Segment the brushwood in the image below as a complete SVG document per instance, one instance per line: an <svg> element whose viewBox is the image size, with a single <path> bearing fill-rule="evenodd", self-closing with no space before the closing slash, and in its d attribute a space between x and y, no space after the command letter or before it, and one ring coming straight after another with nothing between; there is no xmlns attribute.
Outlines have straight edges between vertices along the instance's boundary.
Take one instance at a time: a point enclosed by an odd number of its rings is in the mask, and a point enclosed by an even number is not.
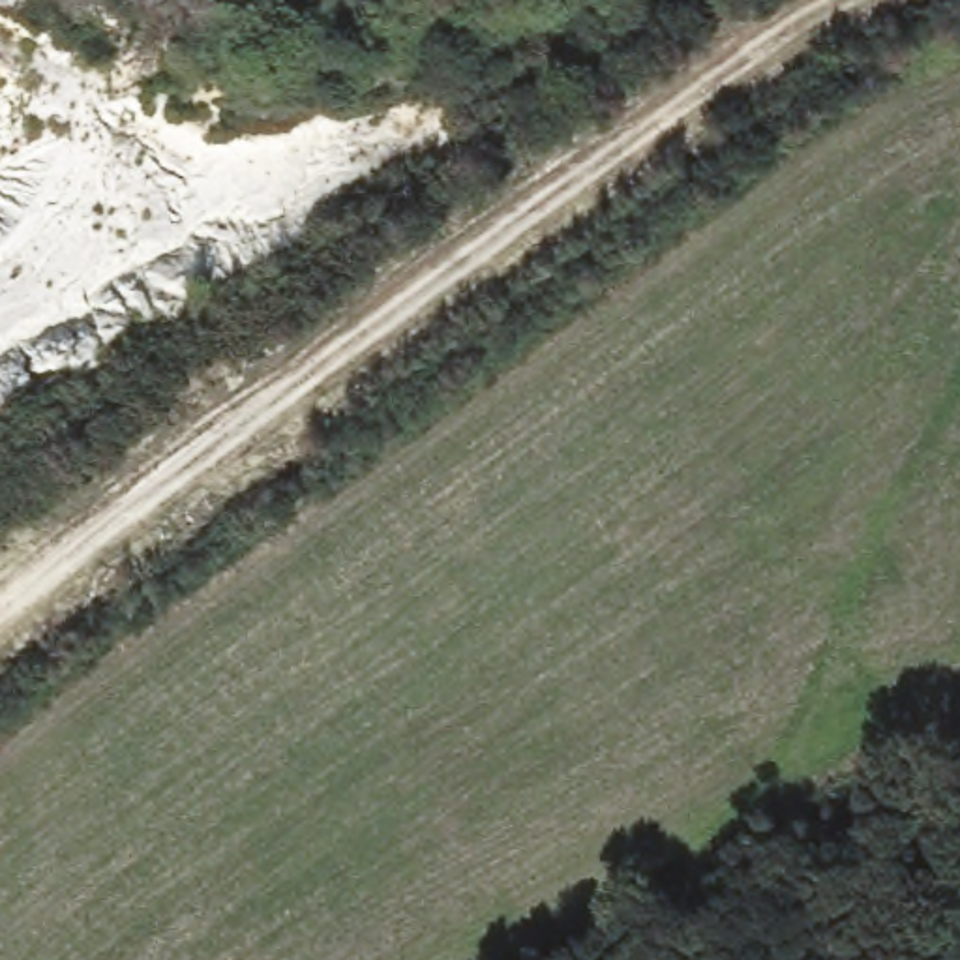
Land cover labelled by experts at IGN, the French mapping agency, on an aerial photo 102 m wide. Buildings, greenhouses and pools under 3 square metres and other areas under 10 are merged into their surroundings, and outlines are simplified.
<svg viewBox="0 0 960 960"><path fill-rule="evenodd" d="M615 176L604 176L596 184L596 203L570 225L548 233L510 270L461 281L450 300L435 300L428 315L405 323L390 353L368 353L353 360L345 379L345 405L330 413L308 409L308 428L296 461L221 499L221 506L214 506L214 514L180 548L154 544L146 551L131 551L124 540L116 540L120 574L113 589L68 611L60 623L45 623L45 630L26 649L0 660L0 735L15 735L26 720L34 720L34 713L45 713L68 683L86 679L105 660L105 653L120 638L146 630L176 600L199 593L214 574L229 570L263 540L278 536L296 518L296 503L334 499L345 484L364 480L371 465L379 465L386 439L420 439L431 431L435 420L458 413L476 390L495 386L503 371L525 360L544 338L570 326L578 315L593 311L615 281L634 278L634 270L645 263L660 263L664 251L679 248L686 233L716 221L724 206L754 191L761 176L769 176L780 161L806 154L818 139L855 120L863 105L878 101L889 86L915 86L960 64L960 0L949 0L926 15L915 49L904 49L896 41L896 26L878 26L866 34L863 45L848 45L836 53L821 53L806 41L803 53L784 60L776 75L758 75L716 90L701 105L701 143L686 143L686 131L675 124L649 146L649 154L641 154Z"/></svg>
<svg viewBox="0 0 960 960"><path fill-rule="evenodd" d="M11 19L19 19L30 30L53 34L56 49L71 53L79 68L94 71L113 68L116 60L105 26L90 19L71 19L56 0L26 0L15 8Z"/></svg>
<svg viewBox="0 0 960 960"><path fill-rule="evenodd" d="M278 341L308 345L315 330L334 326L334 311L349 293L368 289L386 259L431 244L443 233L450 210L469 206L473 214L506 214L503 188L510 180L514 165L506 158L506 143L488 124L476 135L446 139L428 139L420 146L394 150L368 176L356 176L338 191L323 195L304 214L304 225L293 240L274 244L266 255L255 255L251 263L240 263L221 278L214 274L214 266L195 263L184 281L184 308L176 315L143 319L139 311L131 311L128 326L98 349L98 360L90 368L38 371L34 379L26 379L26 386L15 386L0 401L0 533L45 521L64 495L75 495L101 476L120 473L128 446L135 446L146 431L169 431L176 439L180 431L169 424L169 413L195 371L236 360L263 360L263 353Z"/></svg>
<svg viewBox="0 0 960 960"><path fill-rule="evenodd" d="M214 15L199 34L176 30L176 38L158 56L158 71L139 79L139 105L146 116L154 113L154 98L165 94L165 120L199 124L206 116L206 105L195 101L195 90L210 86L221 90L221 120L206 131L206 143L233 143L251 135L285 135L315 116L368 116L371 124L383 124L386 109L409 105L409 75L420 64L424 38L420 26L394 26L394 34L386 38L386 53L360 53L349 64L341 86L323 90L315 79L300 71L289 83L266 75L263 56L255 49L233 56L229 34Z"/></svg>

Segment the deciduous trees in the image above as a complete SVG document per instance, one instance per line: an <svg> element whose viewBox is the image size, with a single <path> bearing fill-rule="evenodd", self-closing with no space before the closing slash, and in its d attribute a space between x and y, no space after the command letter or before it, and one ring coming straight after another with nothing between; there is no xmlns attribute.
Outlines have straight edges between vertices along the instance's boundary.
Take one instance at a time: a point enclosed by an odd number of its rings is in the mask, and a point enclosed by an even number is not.
<svg viewBox="0 0 960 960"><path fill-rule="evenodd" d="M394 34L394 26L420 26L424 38L420 64L409 75L409 105L439 109L446 139L476 135L488 124L506 143L506 158L514 165L510 180L525 180L548 154L570 146L578 131L611 131L623 120L626 98L660 83L683 86L690 56L701 56L713 45L724 23L765 23L795 0L225 0L214 4L214 15L229 34L233 56L255 49L263 56L266 75L289 83L300 71L315 79L323 90L341 86L349 64L360 53L386 53L386 38Z"/></svg>
<svg viewBox="0 0 960 960"><path fill-rule="evenodd" d="M604 844L604 866L615 878L615 885L596 893L596 923L585 934L585 941L563 949L555 960L960 960L960 743L938 731L893 735L881 746L863 739L863 761L855 769L855 780L844 784L836 795L818 795L810 780L788 784L780 769L765 761L758 765L754 780L731 795L735 818L701 851L690 851L656 821L638 821L630 829L611 833L611 840Z"/></svg>

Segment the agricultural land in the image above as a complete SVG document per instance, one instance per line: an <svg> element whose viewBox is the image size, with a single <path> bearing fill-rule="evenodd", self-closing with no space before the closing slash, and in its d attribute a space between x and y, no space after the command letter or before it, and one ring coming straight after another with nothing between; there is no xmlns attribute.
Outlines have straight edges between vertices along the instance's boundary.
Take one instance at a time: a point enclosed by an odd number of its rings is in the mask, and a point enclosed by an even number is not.
<svg viewBox="0 0 960 960"><path fill-rule="evenodd" d="M379 465L371 465L364 480L345 484L334 499L296 503L296 518L278 536L263 540L229 570L214 574L199 593L176 600L146 630L120 638L105 653L105 660L86 679L68 683L45 713L34 713L34 720L26 720L15 735L0 735L0 960L555 960L563 949L585 941L585 934L596 923L596 893L615 885L615 878L604 866L604 844L611 840L611 833L630 829L638 821L656 821L690 851L701 851L735 818L731 795L754 780L758 765L765 761L780 769L788 784L810 780L818 795L836 795L844 784L855 780L855 769L863 761L863 739L881 746L893 735L938 731L960 743L960 64L915 86L889 86L878 101L863 105L855 120L818 139L806 154L780 161L769 176L761 176L754 191L724 206L716 221L686 233L679 248L664 251L660 263L645 263L634 270L634 278L615 281L593 311L578 315L570 326L544 338L525 360L503 371L495 386L476 390L458 413L435 420L431 431L420 439L386 439Z"/></svg>

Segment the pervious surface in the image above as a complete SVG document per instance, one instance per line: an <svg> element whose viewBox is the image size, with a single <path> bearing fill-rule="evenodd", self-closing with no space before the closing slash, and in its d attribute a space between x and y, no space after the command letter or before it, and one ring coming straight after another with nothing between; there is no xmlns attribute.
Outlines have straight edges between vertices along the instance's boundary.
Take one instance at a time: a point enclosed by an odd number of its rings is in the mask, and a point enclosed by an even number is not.
<svg viewBox="0 0 960 960"><path fill-rule="evenodd" d="M649 154L649 146L675 124L686 131L686 143L701 143L701 105L716 90L758 75L776 75L784 60L803 53L806 41L821 53L836 53L848 45L863 45L866 34L878 26L896 26L896 41L904 49L915 49L926 15L949 0L795 0L765 23L724 23L713 45L701 56L690 56L683 86L660 83L626 98L623 120L611 131L578 131L570 146L548 154L525 180L510 180L503 188L506 214L473 214L469 206L450 210L443 233L431 244L386 259L368 289L349 293L334 311L334 326L315 330L308 345L278 341L263 353L263 360L236 360L195 371L169 413L169 424L180 431L176 439L169 431L146 431L135 446L128 446L120 473L101 476L75 495L64 495L45 521L0 533L0 660L26 649L45 630L45 623L60 623L68 611L113 589L120 574L116 540L124 540L131 551L146 551L154 544L180 548L214 514L214 506L221 506L221 499L296 461L308 428L308 409L330 413L345 405L345 379L353 360L368 353L390 353L405 323L428 315L435 300L450 300L461 281L510 270L548 233L570 225L596 203L596 184L604 176L615 176L641 154Z"/></svg>
<svg viewBox="0 0 960 960"><path fill-rule="evenodd" d="M139 79L158 71L158 56L176 38L176 30L199 34L214 15L214 4L225 0L56 0L71 19L90 19L105 26L116 60L113 68L94 71L79 68L71 53L56 49L53 34L30 30L19 19L11 19L15 8L26 0L0 0L0 401L15 386L26 386L26 379L34 379L38 371L90 368L98 360L98 349L128 326L131 311L139 311L143 319L176 315L184 308L184 281L195 263L214 266L214 274L221 278L240 263L251 263L255 255L266 255L274 244L293 240L304 225L304 214L323 195L338 191L356 176L368 176L394 150L420 146L428 139L446 139L439 109L409 105L386 109L383 124L371 124L368 116L315 116L285 135L251 135L233 143L206 143L206 131L221 120L221 90L210 86L195 90L195 101L206 105L206 116L199 124L165 120L165 94L154 98L154 113L146 116L139 105Z"/></svg>

